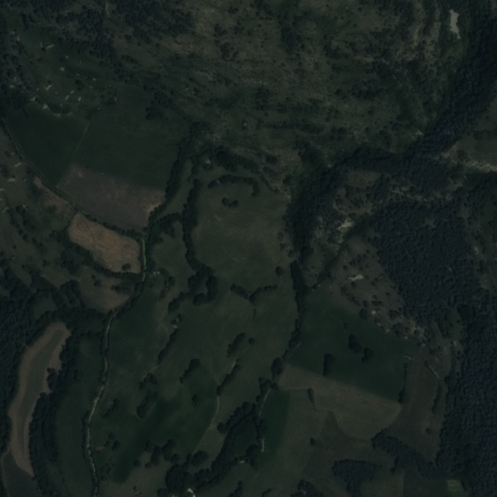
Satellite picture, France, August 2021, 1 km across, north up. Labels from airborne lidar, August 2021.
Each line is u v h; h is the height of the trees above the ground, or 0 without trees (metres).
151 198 0
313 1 0
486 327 12
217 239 0
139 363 0
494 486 13
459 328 0
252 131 0
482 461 10
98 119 0
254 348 0
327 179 20
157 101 8
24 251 0
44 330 15
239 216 0
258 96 10
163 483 0
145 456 0
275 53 0
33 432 19
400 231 15
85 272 0
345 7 0
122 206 0
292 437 0
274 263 0
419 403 0
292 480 0
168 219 14
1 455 9
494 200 9
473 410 10
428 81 9
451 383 21
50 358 0
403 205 11
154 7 14
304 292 15
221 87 0
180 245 0
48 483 6
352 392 0
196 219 7
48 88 0
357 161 19
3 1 13
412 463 15
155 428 0
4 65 7
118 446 16
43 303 0
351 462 11
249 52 0
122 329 0
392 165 16
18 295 23
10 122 0
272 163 13
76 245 7
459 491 0
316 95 0
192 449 0
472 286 14
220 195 0
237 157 10
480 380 15
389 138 10
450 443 7
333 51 8
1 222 0
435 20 6
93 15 14
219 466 21
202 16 0
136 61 12
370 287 0
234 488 0
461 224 15
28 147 0
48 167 0
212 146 10
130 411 0
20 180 0
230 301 0
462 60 6
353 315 0
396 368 0
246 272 0
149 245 14
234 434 22
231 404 0
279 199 0
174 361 0
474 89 13
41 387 0
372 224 14
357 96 7
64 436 0
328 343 0
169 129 0
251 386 0
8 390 24
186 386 0
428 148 11
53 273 0
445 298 14
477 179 7
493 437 15
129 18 9
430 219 7
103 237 0
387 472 0
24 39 0
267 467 0
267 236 0
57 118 0
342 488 0
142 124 0
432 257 11
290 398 0
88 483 0
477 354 14
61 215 0
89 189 0
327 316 0
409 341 0
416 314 12
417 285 17
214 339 0
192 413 0
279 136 0
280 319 0
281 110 8
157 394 6
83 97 0
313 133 8
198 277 15
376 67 10
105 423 0
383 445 15
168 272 10
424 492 0
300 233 19
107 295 0
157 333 0
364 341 0
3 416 10
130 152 0
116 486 0
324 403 0
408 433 0
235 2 0
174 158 0
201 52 0
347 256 0
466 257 13
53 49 0
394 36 8
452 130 11
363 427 0
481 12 9
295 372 0
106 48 17
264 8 7
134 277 15
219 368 0
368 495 0
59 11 7
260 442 10
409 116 8
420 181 14
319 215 9
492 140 0
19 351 18
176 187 17
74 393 0
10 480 0
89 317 11
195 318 0
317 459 0
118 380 0
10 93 10
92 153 0
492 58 19
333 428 0
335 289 0
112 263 0
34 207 0
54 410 11
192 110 0
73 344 16
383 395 0
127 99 0
